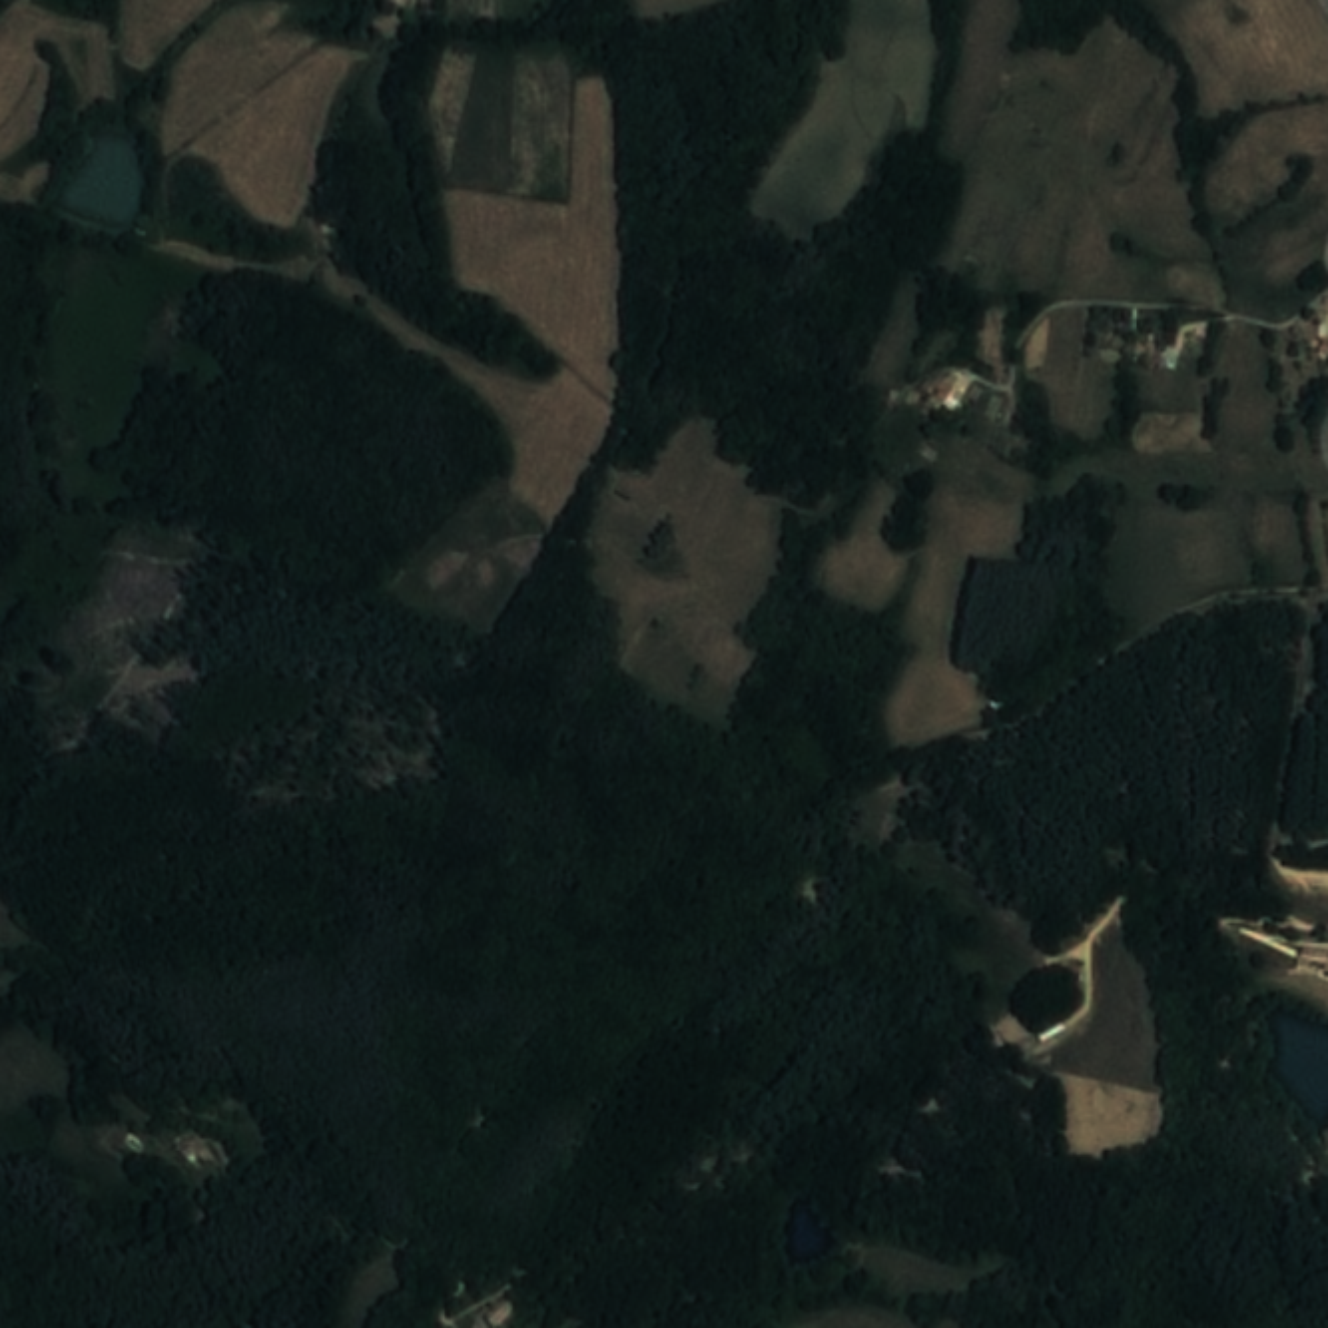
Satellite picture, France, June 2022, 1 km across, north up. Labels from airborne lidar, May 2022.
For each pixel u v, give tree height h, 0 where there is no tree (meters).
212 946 19
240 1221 17
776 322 23
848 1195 24
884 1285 9
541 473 0
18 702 25
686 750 22
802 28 9
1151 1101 0
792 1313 9
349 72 0
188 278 0
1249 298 0
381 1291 0
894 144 9
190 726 19
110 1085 14
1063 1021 12
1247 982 18
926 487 16
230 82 0
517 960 22
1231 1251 37
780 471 20
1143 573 0
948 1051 13
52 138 16
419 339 0
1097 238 0
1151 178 0
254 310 18
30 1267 22
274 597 24
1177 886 23
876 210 16
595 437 0
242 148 0
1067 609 15
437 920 19
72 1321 19
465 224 0
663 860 22
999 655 18
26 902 19
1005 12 0
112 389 0
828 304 19
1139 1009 0
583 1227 22
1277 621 16
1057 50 8
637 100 20
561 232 0
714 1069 21
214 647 19
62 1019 15
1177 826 14
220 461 24
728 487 0
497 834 21
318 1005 19
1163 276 0
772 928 21
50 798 20
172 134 0
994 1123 23
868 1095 18
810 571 11
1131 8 14
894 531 15
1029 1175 21
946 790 13
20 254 10
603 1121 21
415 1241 17
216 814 16
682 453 0
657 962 24
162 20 0
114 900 22
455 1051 17
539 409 0
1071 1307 24
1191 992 17
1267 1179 21
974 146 0
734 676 0
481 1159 20
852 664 17
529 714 26
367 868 18
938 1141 24
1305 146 0
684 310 21
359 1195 19
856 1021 27
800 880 21
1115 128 0
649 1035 16
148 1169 16
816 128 0
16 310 18
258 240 15
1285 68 0
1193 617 12
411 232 9
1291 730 7
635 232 15
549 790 24
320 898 17
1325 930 11
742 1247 15
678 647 0
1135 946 16
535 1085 21
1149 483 0
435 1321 11
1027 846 18
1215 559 0
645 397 19
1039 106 0
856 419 8
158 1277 19
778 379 22
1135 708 19
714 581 0
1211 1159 21
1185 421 0
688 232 23
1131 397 12
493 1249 20
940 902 16
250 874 19
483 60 0
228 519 25
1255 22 0
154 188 7
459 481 19
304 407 24
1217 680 17
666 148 26
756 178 16
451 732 21
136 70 0
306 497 22
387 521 21
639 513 0
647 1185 22
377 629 22
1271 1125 13
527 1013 20
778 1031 21
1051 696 12
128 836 20
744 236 18
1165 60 10
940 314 21
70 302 0
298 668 29
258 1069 17
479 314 16
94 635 0
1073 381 0
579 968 19
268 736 21
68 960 13
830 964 22
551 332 0
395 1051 19
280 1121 17
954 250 0
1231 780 20
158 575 0
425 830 21
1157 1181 15
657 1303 22
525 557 0
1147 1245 22
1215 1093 22
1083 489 11
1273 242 0
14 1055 0
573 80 0
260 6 0
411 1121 19
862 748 12
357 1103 17
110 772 20
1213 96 0
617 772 25
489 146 0
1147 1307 22
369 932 20
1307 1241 34
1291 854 14
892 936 20
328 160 18
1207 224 15
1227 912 19
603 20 17
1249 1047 14
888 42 0
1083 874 20
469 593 0
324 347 18
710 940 25
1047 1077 12
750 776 18
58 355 0
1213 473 0
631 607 0
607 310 0
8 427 18
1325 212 0
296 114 0
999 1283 18
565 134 0
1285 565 0
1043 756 14
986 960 0
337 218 15
